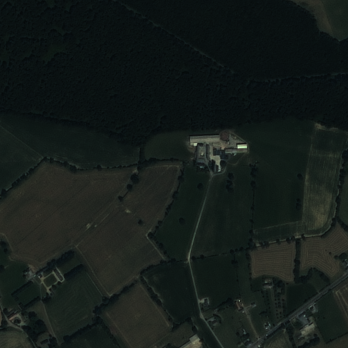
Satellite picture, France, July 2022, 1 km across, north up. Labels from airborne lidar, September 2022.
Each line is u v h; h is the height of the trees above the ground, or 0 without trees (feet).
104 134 43
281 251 0
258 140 0
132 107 68
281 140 0
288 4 55
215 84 57
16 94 54
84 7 68
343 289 0
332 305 0
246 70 64
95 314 60
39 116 53
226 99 58
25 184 0
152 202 0
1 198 21
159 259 0
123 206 0
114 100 50
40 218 0
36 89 61
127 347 0
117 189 0
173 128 58
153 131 68
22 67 61
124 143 64
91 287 0
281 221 0
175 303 0
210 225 0
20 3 61
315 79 43
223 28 57
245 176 0
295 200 0
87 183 0
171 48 57
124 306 0
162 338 0
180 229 0
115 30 54
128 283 0
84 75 55
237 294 0
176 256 0
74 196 0
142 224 41
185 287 0
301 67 57
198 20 58
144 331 0
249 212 0
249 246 43
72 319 0
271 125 0
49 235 0
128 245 0
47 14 65
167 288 0
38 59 43
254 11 61
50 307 0
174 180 0
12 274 0
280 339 0
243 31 50
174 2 54
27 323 0
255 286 0
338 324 0
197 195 0
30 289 0
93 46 65
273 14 49
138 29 51
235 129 0
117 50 56
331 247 0
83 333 43
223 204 0
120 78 58
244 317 0
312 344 49
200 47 50
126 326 0
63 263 57
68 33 35
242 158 0
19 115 69
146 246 0
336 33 0
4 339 0
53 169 0
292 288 0
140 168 62
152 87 61
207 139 0
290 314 20
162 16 58
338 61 52
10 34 64
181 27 54
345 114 62
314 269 23
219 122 52
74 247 0
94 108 60
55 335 0
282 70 51
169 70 63
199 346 0
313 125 0
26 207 0
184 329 0
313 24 50
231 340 0
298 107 62
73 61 59
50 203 0
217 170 0
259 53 63
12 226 0
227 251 0
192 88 55
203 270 0
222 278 0
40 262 0
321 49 66
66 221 0
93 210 0
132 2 51
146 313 0
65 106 58
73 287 0
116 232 0
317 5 0
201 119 65
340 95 53
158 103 57
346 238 0
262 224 0
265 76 70
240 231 0
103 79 58
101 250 0
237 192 0
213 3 58
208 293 0
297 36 53
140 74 57
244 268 0
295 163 0
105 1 52
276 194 0
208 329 0
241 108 63
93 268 0
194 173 0
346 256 18
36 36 54
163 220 0
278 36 55
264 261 0
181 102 62
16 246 0
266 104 67
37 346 27
